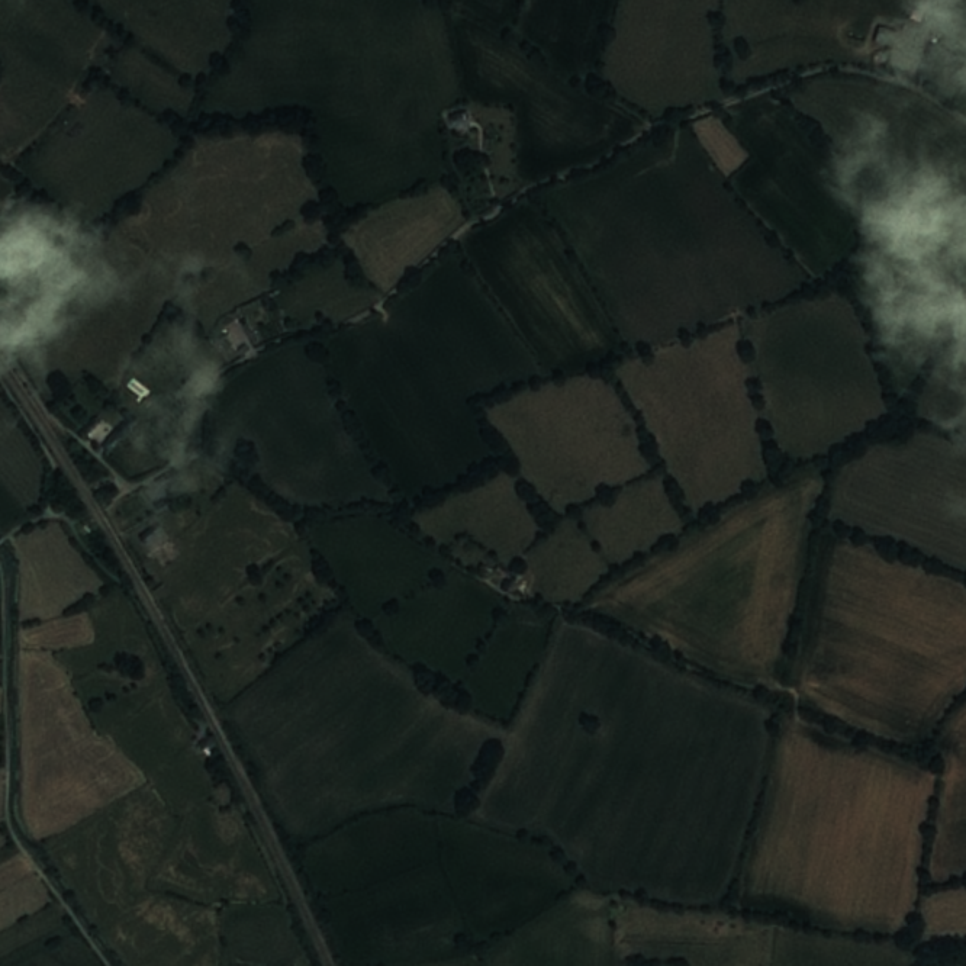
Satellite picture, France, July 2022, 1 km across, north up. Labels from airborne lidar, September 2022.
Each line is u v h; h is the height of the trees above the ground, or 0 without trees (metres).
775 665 0
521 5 12
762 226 11
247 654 0
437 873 0
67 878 0
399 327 0
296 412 0
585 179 12
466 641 0
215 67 19
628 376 0
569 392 0
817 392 0
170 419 14
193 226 0
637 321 0
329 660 0
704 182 0
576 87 15
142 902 0
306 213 17
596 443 0
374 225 0
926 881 15
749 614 0
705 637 0
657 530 0
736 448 0
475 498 0
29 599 0
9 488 0
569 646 0
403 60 0
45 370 0
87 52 0
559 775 0
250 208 0
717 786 0
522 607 7
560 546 0
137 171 0
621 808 0
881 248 0
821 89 0
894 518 0
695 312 0
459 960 0
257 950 0
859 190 0
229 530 0
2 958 0
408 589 0
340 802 0
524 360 0
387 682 0
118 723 0
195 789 0
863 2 0
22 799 0
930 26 0
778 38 0
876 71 6
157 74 0
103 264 0
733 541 0
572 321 0
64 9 0
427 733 0
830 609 0
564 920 0
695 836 0
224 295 0
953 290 0
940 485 0
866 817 0
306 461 0
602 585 9
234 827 0
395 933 0
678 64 0
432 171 0
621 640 13
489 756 19
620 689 0
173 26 0
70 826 0
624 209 0
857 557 0
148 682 0
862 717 0
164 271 0
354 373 0
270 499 11
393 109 0
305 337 14
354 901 0
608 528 0
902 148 0
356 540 0
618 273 0
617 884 0
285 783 0
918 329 0
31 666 0
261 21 0
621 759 0
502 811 0
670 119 18
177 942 0
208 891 0
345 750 0
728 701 0
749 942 0
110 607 0
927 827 13
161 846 0
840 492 0
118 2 0
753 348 16
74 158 0
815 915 0
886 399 15
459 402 0
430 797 0
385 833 0
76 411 10
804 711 9
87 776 0
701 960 0
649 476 7
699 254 0
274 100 0
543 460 0
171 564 0
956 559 0
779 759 0
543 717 0
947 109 6
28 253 0
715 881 0
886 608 0
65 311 0
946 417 0
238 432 0
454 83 0
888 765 0
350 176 0
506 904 0
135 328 0
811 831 0
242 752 11
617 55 0
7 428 0
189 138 15
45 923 0
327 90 0
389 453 0
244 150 0
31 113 0
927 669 0
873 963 0
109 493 13
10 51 0
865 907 0
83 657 0
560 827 0
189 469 12
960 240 0
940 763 15
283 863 0
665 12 0
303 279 8
